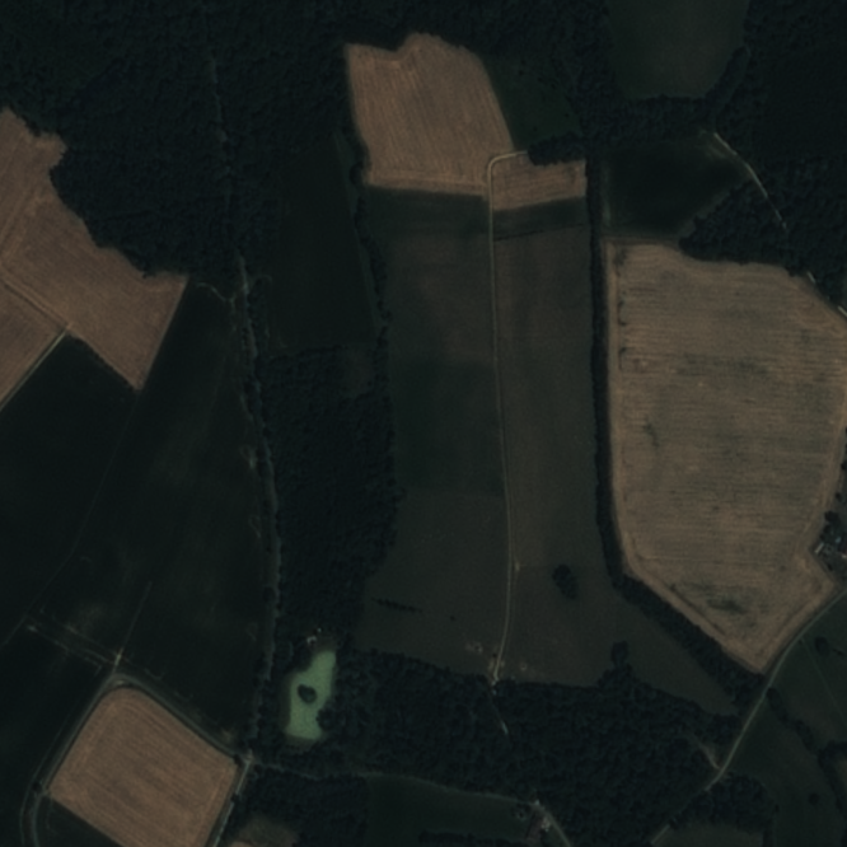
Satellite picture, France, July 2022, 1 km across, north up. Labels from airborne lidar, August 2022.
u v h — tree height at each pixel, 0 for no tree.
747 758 0
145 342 0
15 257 0
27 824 0
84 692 0
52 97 19
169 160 22
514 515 0
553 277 0
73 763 0
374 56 0
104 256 0
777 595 0
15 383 0
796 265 19
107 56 6
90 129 23
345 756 14
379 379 7
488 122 0
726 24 0
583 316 0
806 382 0
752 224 24
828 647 14
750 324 0
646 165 0
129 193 23
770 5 25
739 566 0
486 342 0
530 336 0
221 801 0
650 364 0
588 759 28
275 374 11
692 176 0
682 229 0
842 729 0
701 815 21
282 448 9
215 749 0
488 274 0
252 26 24
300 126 16
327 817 23
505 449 0
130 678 0
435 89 0
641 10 0
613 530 16
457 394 0
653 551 0
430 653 0
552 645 0
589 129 16
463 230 0
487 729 24
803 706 0
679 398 0
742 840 0
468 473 0
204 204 21
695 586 0
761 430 0
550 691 20
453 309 0
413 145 0
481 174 0
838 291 18
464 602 0
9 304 0
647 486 0
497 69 0
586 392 0
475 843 14
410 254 0
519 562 0
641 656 0
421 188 0
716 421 0
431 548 0
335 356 14
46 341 0
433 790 0
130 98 27
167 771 0
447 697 27
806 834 0
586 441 0
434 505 0
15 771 0
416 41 0
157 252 27
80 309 0
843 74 7
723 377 0
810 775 0
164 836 0
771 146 8
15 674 0
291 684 0
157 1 20
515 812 7
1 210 0
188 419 0
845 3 20
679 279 0
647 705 16
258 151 22
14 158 0
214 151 22
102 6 16
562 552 0
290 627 8
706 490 0
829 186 13
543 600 0
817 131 8
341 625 20
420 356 0
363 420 10
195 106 24
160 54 19
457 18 22
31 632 0
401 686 18
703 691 0
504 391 0
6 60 14
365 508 13
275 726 19
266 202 20
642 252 0
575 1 20
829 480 0
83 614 0
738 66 18
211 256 23
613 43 21
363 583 17
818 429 0
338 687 8
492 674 0
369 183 0
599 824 17
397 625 0
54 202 0
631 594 19
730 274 0
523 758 10
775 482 0
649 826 10
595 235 9
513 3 23
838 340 0
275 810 11
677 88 0
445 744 19
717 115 18
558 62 20
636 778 18
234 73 22
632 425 0
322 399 10
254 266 11
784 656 0
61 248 0
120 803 0
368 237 14
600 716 16
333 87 11
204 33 18
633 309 0
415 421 0
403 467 0
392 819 0
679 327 0
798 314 0
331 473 16
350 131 14
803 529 0
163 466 0
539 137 0
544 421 0
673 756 29
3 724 0
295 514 11
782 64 9
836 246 21
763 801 20
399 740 25
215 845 0
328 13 20
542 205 0
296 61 19
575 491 0
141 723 0
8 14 5
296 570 10
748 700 13
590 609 0
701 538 0
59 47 8
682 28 0
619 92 20
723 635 0
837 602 0
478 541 0
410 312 0
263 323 9
